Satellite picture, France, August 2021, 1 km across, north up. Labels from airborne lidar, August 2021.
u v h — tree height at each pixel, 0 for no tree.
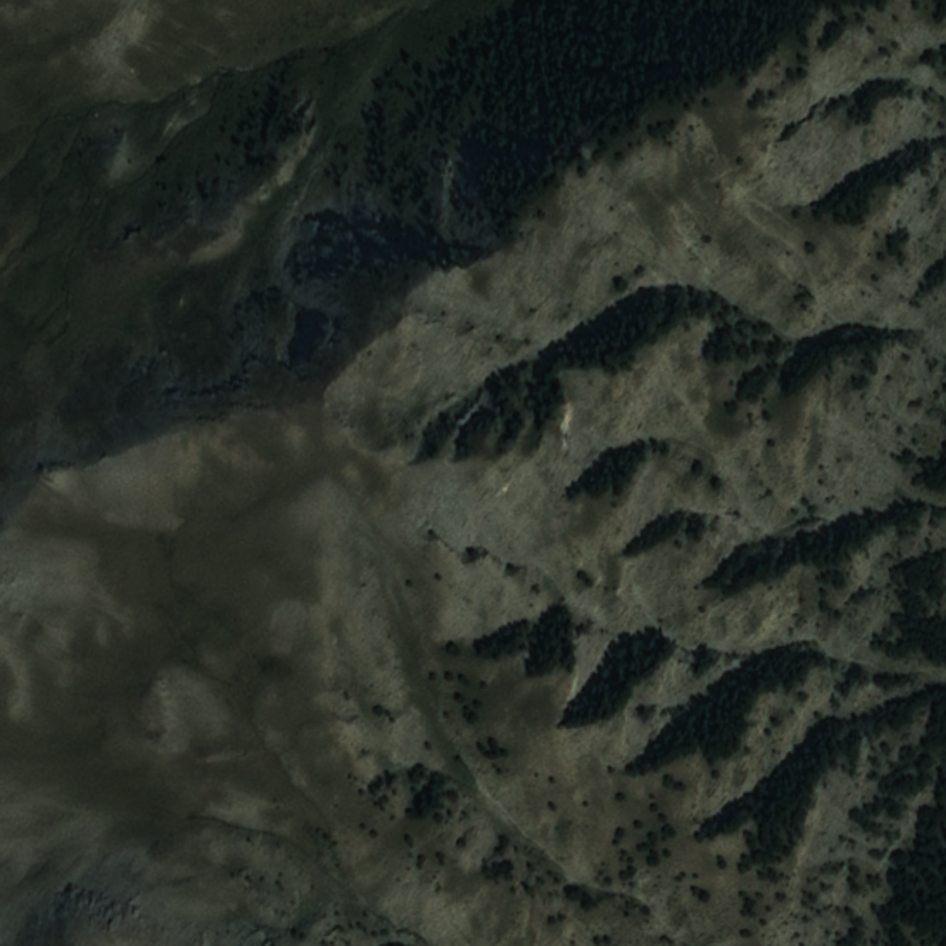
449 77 12
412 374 0
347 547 0
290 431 0
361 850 0
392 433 0
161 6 0
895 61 0
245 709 0
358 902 0
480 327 0
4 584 0
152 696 0
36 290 0
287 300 0
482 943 0
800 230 0
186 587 0
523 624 11
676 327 11
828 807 0
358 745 0
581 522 0
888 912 21
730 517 0
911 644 22
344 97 0
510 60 14
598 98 18
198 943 0
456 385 0
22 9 0
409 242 0
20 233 0
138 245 0
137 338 0
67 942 0
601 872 7
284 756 0
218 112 0
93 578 0
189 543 0
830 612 16
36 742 0
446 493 0
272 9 0
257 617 0
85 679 0
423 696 0
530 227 0
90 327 0
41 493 0
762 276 0
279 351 0
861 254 0
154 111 0
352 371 0
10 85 0
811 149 0
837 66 0
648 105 13
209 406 0
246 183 0
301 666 0
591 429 0
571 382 0
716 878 0
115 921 0
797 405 0
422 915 0
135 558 0
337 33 0
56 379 0
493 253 0
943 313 0
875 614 0
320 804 0
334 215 0
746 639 0
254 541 0
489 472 0
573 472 0
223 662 0
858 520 15
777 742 0
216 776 0
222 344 0
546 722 0
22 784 0
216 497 0
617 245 0
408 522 0
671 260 0
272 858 0
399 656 0
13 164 0
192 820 0
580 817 0
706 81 14
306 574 0
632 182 0
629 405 0
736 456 0
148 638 0
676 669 0
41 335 0
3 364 0
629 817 0
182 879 0
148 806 0
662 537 18
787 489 0
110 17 0
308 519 0
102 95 0
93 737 0
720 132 0
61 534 0
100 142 0
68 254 0
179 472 0
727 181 0
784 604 0
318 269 0
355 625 0
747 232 0
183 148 0
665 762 15
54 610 0
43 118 0
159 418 0
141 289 0
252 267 0
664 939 8
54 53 0
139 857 0
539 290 0
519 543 0
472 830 0
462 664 0
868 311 0
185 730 0
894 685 8
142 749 0
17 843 0
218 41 0
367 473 0
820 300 0
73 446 0
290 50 0
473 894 0
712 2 21
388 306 0
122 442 0
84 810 0
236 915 0
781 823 17
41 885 0
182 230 0
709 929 0
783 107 0
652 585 0
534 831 0
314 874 0
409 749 0
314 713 0
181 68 0
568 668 11
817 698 0
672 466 0
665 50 17
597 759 0
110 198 0
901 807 11
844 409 0
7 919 0
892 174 18
